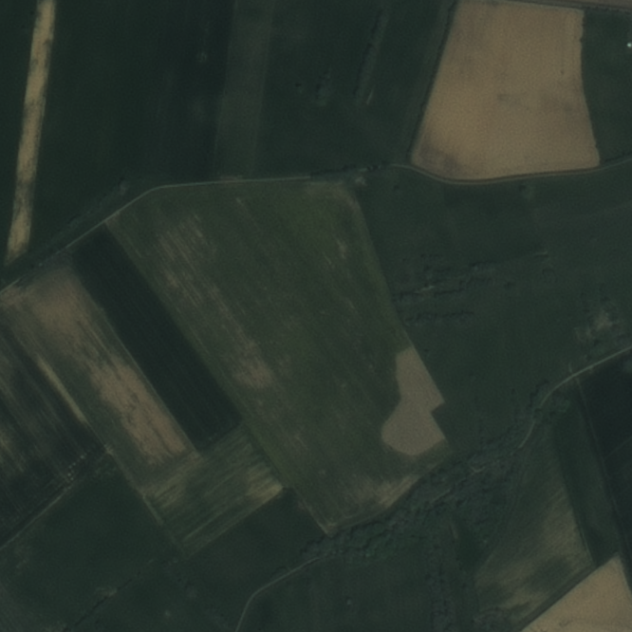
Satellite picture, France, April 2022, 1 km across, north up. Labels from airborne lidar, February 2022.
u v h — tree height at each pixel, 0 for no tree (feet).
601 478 0
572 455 0
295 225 0
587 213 0
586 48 0
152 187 0
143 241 0
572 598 0
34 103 0
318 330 0
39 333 0
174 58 0
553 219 0
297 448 0
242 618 0
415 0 0
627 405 0
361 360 0
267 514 0
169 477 0
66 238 0
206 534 0
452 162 0
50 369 0
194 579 0
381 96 0
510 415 0
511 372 0
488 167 0
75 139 0
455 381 0
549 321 0
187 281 0
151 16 0
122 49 0
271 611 0
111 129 0
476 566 0
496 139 0
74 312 0
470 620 0
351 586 0
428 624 0
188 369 0
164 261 0
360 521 0
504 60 0
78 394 0
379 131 0
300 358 0
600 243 0
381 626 0
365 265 0
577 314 0
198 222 0
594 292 0
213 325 0
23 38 0
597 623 0
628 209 0
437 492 46
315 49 0
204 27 0
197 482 0
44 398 0
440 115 0
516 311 0
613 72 0
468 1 0
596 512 0
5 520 0
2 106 0
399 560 0
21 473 0
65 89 0
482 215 0
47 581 0
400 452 0
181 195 0
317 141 0
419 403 0
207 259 0
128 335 0
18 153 0
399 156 0
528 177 0
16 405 0
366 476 0
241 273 0
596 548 0
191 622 0
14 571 0
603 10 23
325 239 0
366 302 0
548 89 0
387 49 0
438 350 0
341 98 0
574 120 0
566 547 0
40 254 0
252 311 0
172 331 0
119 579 0
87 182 0
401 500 0
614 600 0
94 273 0
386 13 36
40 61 0
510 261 0
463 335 0
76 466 0
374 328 0
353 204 0
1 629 0
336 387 0
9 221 0
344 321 0
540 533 0
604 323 0
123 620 0
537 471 0
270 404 0
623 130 0
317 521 0
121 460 0
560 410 36
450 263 0
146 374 0
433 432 0
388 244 0
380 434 0
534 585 0
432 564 27
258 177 0
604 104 0
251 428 0
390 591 0
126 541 0
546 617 0
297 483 0
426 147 0
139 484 0
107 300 0
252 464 0
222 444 0
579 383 0
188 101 0
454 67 0
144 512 0
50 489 0
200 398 0
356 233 0
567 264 0
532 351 0
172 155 0
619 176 0
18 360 0
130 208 0
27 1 0
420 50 0
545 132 0
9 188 0
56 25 0
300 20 0
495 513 61
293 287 0
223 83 0
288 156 0
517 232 0
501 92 0
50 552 0
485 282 20
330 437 0
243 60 0
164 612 0
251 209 0
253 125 0
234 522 0
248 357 0
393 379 0
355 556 54
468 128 0
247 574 0
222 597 0
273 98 0
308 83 0
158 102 0
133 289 0
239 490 0
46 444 0
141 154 0
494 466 55
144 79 0
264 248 0
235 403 0
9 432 0
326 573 0
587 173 0
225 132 0
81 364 0
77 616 0
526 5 0
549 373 0
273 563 0
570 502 0
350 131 0
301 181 0
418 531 42
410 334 0
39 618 0
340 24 0
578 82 0
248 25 0
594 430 0
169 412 0
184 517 0
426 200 0
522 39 0
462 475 0
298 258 0
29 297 0
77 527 0
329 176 56
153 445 0
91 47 0
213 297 0
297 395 0
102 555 0
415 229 0
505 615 43
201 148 0
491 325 0
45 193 0
